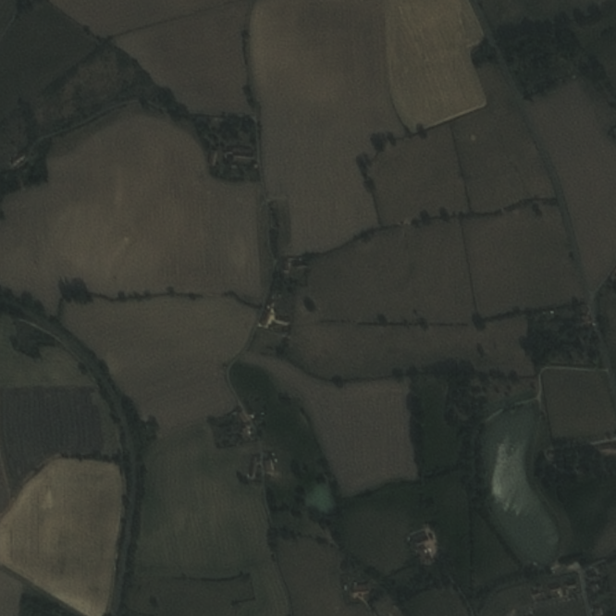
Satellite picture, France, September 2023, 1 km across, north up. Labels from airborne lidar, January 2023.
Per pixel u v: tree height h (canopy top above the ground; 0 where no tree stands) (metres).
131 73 0
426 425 0
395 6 0
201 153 0
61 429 0
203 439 0
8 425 0
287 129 0
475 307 9
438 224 0
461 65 0
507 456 0
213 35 0
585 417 0
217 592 0
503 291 0
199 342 0
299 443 0
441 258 0
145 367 0
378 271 0
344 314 0
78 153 0
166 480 0
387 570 0
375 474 0
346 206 0
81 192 0
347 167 0
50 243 0
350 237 0
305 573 0
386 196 0
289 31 0
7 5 0
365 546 0
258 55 0
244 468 0
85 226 0
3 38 0
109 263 0
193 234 0
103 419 0
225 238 0
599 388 0
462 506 0
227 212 0
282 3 0
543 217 0
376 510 0
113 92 0
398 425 0
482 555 0
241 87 0
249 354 0
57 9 0
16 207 0
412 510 0
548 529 0
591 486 0
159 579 0
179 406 0
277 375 0
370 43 0
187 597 0
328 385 0
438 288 0
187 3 0
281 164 0
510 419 0
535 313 6
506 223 0
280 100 0
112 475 0
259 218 0
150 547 0
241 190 0
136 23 0
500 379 11
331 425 0
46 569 0
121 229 0
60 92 0
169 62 0
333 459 0
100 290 0
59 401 0
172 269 0
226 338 0
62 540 0
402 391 0
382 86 0
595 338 9
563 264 0
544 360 11
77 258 0
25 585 0
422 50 0
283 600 0
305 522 0
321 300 0
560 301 0
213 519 0
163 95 11
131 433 7
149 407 0
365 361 0
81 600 0
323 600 0
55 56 0
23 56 0
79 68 0
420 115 0
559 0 0
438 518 0
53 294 0
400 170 0
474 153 0
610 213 0
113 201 0
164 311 0
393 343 0
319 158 0
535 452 0
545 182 0
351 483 0
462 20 0
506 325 0
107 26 0
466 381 14
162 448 0
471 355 0
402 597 12
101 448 0
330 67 0
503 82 0
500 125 0
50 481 0
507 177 0
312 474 0
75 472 0
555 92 0
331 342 0
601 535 0
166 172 0
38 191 0
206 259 0
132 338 0
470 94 0
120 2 0
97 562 0
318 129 0
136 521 14
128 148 0
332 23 0
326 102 0
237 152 0
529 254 0
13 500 0
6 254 0
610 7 0
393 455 0
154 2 0
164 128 0
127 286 0
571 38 15
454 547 0
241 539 0
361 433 0
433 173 0
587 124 0
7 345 0
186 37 0
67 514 0
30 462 0
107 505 0
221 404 0
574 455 12
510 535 0
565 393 0
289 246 0
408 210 0
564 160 0
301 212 0
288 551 0
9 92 0
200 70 0
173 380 0
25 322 14
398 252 0
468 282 0
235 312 0
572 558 7
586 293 0
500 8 0
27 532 0
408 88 0
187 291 0
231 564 0
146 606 0
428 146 0
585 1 0
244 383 0
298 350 0
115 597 0
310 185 0
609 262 0
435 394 0
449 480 0
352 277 0
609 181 0
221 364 0
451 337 0
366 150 0
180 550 0
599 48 0
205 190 0
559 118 0
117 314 0
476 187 0
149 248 0
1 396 0
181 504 0
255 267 0
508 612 0
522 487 0
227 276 0
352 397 0
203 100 0
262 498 0
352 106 0
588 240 0
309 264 8
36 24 0
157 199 0
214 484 0
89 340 0
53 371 0
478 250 0
